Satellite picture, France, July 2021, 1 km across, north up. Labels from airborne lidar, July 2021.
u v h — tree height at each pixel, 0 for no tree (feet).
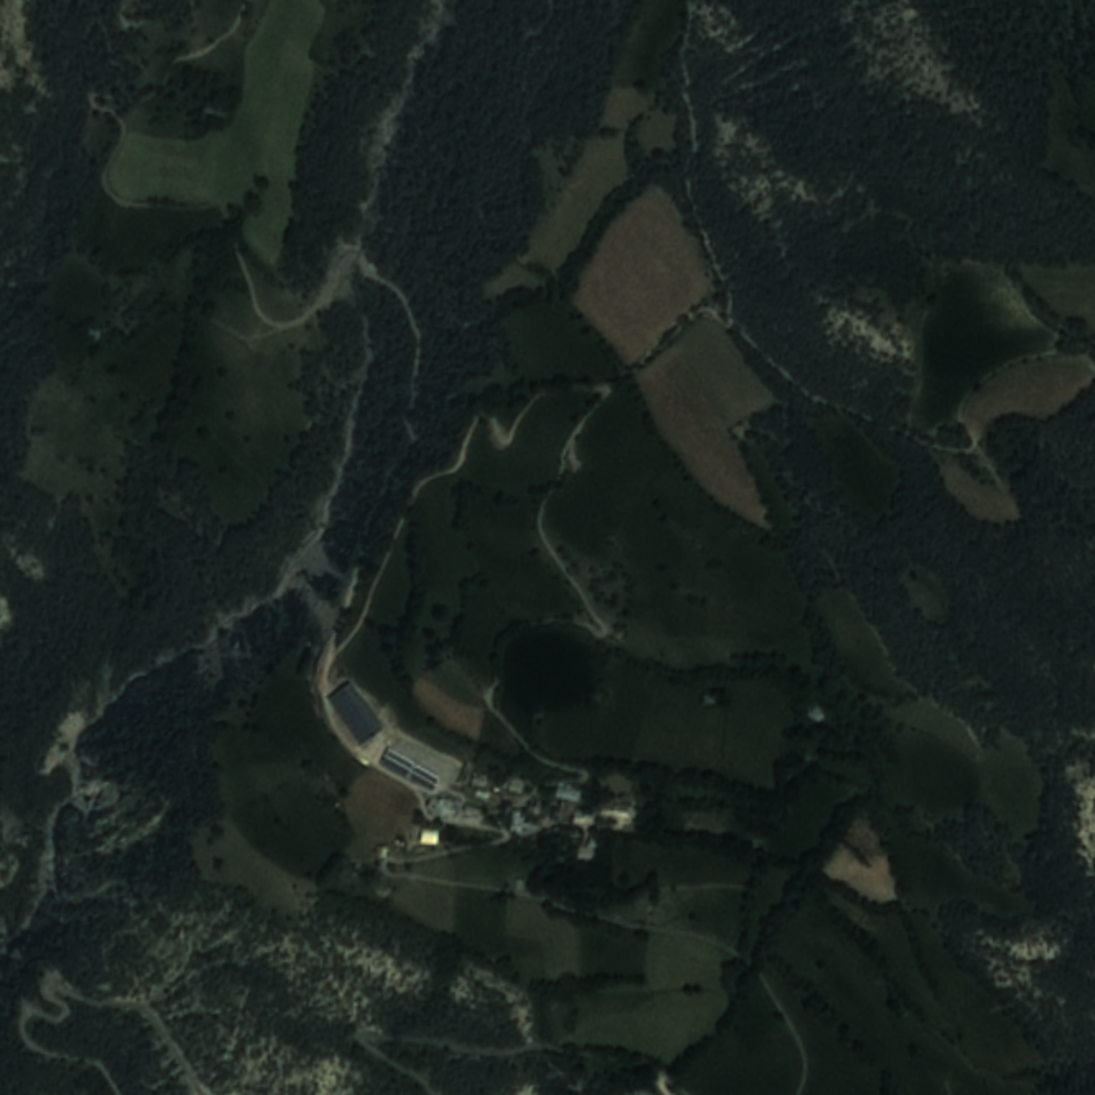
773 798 54
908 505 35
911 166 33
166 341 0
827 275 28
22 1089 24
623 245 0
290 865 0
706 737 0
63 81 37
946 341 0
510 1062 27
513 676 0
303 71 0
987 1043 0
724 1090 0
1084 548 44
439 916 0
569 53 39
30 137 22
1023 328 0
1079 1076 52
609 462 0
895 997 26
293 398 0
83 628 37
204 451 0
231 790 0
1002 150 37
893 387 26
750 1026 0
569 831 24
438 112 54
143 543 42
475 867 0
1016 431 22
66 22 44
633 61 0
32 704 31
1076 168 0
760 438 25
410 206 33
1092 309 0
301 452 40
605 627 0
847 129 32
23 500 26
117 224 0
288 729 0
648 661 22
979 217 48
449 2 24
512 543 0
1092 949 55
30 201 26
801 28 31
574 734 0
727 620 0
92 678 17
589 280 0
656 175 44
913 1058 25
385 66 22
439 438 52
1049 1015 30
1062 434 30
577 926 41
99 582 48
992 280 0
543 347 0
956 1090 0
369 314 31
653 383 0
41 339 43
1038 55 49
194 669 22
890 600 36
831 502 43
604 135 32
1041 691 31
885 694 20
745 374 0
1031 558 53
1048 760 22
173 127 0
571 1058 26
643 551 0
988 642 35
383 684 0
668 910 0
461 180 33
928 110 29
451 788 0
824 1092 0
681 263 0
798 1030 0
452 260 43
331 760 0
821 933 0
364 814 0
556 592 0
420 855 0
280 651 49
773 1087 0
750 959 29
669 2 0
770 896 0
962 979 0
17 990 27
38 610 27
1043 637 41
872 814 27
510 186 46
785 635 0
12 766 26
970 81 30
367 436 36
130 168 0
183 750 55
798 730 50
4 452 39
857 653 0
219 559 37
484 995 19
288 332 0
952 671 27
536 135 34
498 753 25
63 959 31
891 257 20
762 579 0
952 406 0
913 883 0
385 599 0
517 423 0
